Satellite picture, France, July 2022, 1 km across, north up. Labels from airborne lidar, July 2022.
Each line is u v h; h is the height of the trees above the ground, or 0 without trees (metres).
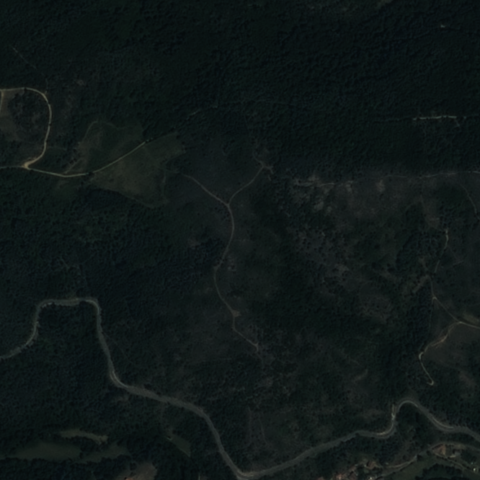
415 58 20
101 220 20
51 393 9
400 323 6
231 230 0
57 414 7
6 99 0
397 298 12
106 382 15
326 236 7
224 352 0
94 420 6
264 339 7
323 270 8
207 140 5
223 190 0
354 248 6
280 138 9
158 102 18
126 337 6
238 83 9
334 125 13
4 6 17
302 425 6
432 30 15
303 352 6
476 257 0
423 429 13
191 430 7
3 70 9
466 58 12
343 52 8
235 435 7
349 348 8
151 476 0
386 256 6
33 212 15
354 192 0
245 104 10
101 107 12
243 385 8
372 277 9
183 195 0
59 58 7
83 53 11
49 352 17
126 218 6
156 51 23
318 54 18
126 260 20
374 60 12
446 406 7
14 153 6
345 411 10
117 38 23
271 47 9
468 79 12
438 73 13
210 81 9
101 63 6
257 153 10
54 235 17
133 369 11
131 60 10
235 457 11
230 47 20
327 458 18
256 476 0
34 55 12
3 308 14
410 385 7
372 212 0
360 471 6
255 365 8
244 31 9
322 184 0
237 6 18
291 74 12
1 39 12
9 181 11
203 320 0
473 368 13
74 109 7
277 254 8
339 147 6
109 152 0
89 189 11
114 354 7
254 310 7
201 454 9
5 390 17
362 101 10
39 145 0
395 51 19
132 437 14
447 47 16
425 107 12
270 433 0
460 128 7
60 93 6
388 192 0
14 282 19
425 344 8
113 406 9
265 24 10
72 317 20
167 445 6
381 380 6
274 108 14
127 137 0
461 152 10
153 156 0
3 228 16
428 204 0
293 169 8
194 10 12
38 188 8
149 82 9
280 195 7
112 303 18
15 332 16
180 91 13
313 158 8
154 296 6
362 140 11
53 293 11
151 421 6
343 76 19
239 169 7
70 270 13
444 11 18
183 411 14
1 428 13
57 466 18
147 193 0
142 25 10
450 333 0
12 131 0
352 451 12
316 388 7
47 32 9
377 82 23
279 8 15
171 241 6
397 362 13
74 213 12
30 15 13
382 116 10
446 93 13
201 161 0
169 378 8
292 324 9
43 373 17
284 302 12
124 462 19
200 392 8
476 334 0
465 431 0
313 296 7
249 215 0
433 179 0
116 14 16
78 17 14
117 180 0
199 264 6
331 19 16
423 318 14
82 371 28
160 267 9
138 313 18
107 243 17
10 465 13
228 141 7
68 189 0
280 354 7
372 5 17
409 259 8
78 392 25
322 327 7
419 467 0
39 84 7
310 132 13
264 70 16
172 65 21
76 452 0
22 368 9
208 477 8
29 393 18
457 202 7
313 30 23
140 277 13
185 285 8
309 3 15
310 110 15
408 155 11
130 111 15
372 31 19
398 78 17
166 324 6
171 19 24
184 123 11
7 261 22
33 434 24
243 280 6
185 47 26
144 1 26
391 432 0
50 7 19
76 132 12
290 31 8
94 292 29
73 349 18
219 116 11
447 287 6
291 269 9
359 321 10
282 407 8
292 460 0
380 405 6
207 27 15
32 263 22
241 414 6
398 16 20
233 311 0
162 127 14
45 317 21
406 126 10
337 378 6
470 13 24
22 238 15
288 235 6
